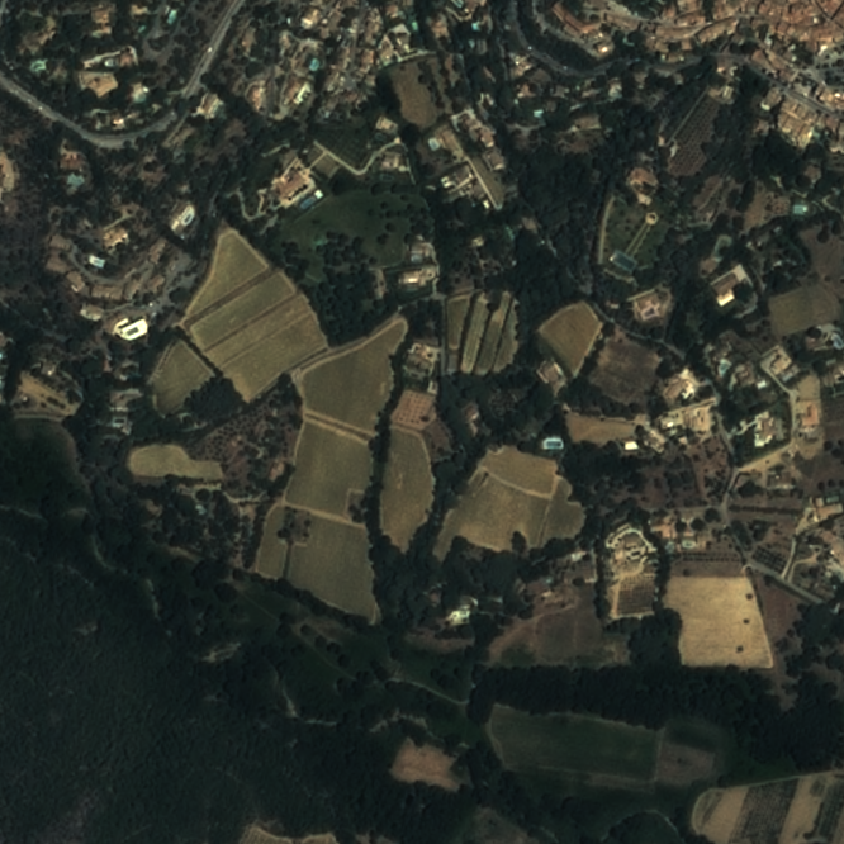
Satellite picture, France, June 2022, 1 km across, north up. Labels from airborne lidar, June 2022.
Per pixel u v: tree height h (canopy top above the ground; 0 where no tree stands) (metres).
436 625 12
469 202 14
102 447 14
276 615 0
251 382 0
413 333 9
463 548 9
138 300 10
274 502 6
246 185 10
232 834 9
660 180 11
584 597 0
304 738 12
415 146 15
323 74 15
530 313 5
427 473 0
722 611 0
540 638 0
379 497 8
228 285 0
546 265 11
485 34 9
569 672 18
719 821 0
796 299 0
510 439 12
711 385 8
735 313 7
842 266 0
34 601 11
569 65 11
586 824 15
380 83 16
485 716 18
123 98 12
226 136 15
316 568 0
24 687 11
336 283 13
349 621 17
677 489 9
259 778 7
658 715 23
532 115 13
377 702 6
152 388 14
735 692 16
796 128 0
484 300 0
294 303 0
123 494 14
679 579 0
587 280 7
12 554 13
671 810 7
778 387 6
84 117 8
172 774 11
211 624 17
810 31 0
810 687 13
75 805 9
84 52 10
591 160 7
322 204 0
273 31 8
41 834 6
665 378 11
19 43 12
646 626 12
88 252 14
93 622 12
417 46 15
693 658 0
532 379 18
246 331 0
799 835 0
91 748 8
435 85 9
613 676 18
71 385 8
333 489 0
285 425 7
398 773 0
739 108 12
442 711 13
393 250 0
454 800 17
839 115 0
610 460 17
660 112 8
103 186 9
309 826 9
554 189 14
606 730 0
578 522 0
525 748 0
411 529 0
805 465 0
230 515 8
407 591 14
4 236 12
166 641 8
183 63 11
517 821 6
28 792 8
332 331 10
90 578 13
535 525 0
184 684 15
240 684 17
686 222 7
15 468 13
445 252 6
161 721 8
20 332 14
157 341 12
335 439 0
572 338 0
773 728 15
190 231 7
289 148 9
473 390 15
